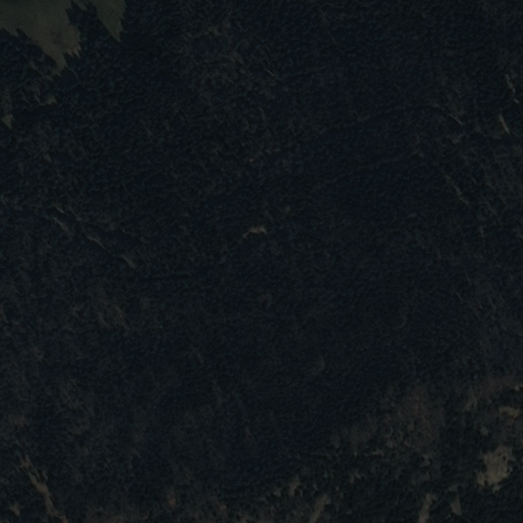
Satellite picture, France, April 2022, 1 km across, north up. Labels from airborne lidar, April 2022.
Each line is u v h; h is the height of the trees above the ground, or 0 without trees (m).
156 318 28
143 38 19
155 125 32
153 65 31
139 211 18
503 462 0
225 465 21
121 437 19
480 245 34
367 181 31
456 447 26
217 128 30
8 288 29
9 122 0
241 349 27
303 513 21
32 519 23
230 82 9
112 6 0
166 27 25
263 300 24
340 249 26
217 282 27
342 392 21
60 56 0
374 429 18
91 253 25
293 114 31
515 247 29
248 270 29
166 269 29
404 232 11
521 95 28
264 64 14
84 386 13
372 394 26
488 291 25
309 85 38
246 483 23
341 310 25
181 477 20
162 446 21
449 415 16
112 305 28
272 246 30
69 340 24
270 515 21
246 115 33
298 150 22
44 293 26
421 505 15
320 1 34
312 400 23
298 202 30
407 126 32
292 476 15
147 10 30
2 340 28
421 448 24
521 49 34
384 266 26
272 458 15
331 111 30
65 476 19
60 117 26
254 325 23
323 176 30
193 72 13
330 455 11
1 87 27
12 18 0
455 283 13
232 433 26
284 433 24
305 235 28
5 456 23
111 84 33
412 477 25
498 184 26
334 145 32
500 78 29
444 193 11
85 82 15
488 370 22
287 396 21
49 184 27
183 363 30
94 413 20
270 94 21
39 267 28
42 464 24
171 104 30
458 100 21
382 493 35
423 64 29
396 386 14
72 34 0
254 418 28
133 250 32
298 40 39
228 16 31
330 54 36
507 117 16
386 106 27
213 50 33
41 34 0
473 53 36
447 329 14
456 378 20
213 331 29
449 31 40
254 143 29
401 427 17
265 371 24
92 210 35
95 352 31
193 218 29
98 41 30
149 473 22
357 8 6
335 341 21
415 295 24
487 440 10
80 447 21
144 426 25
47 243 24
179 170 35
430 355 20
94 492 19
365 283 23
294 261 26
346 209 33
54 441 19
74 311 22
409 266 25
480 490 17
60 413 9
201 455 25
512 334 18
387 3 33
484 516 36
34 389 25
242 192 35
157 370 29
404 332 24
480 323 21
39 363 27
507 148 23
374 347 22
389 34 29
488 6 33
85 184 37
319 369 20
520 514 31
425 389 23
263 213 33
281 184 33
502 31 27
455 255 14
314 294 29
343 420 20
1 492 17
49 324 26
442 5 31
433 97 28
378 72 30
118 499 10
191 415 25
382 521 22
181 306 32
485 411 15
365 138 29
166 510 15
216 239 35
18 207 17
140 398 30
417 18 31
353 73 37
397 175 35
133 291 34
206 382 33
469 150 28
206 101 29
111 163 34
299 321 27
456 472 28
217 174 32
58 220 22
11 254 24
